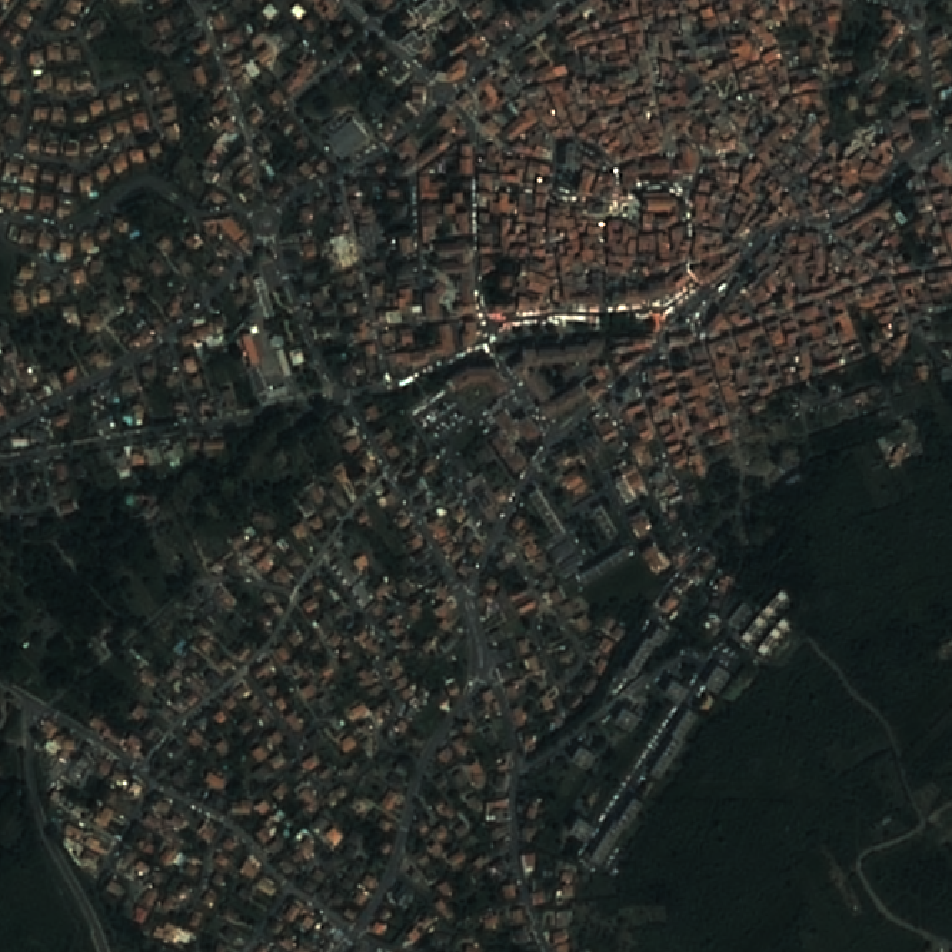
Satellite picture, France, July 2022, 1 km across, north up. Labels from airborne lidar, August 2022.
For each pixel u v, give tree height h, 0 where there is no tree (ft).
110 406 30
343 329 25
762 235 0
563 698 20
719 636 25
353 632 32
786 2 0
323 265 25
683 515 35
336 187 21
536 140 0
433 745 0
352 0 0
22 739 0
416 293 26
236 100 0
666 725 0
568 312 0
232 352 43
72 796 20
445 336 0
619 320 27
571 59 0
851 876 23
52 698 0
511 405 0
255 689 0
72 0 0
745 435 0
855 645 24
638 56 0
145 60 24
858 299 0
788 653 0
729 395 0
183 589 45
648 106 0
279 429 26
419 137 0
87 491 37
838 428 18
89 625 31
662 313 0
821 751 20
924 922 23
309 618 19
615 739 0
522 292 0
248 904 20
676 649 29
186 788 22
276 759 0
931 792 0
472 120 0
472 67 0
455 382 0
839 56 28
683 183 0
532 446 21
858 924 18
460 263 0
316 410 74
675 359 47
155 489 73
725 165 0
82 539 50
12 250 0
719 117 0
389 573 34
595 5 0
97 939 0
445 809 0
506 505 0
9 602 30
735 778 18
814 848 20
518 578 31
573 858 31
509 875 30
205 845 24
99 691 20
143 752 31
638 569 0
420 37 0
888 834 24
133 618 43
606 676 19
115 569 46
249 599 24
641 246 0
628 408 0
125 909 21
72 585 43
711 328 0
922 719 0
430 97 0
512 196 21
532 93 0
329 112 48
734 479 36
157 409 0
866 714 24
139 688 0
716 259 0
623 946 20
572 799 0
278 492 36
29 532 42
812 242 0
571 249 0
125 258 28
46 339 46
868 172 0
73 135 20
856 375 0
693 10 28
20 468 21
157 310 26
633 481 0
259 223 0
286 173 0
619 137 0
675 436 0
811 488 19
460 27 35
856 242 0
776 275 0
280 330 22
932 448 31
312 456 22
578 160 0
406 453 25
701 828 19
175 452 0
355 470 23
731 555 38
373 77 36
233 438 56
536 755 28
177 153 20
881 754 20
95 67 0
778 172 0
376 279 21
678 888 19
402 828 0
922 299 0
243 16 21
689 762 34
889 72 0
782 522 29
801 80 0
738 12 0
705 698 28
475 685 0
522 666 20
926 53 0
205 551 0
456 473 17
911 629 22
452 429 0
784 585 22
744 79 0
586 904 19
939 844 0
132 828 24
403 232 28
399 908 22
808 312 0
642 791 24
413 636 26
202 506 42
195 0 22
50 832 40
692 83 0
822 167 0
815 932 28
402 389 18
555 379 22
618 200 0
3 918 20
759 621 0
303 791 0
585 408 0
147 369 0
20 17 0
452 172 29
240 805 0
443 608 0
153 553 33
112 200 0
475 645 0
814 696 32
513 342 21
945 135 0
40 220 0
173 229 27
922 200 0
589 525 24
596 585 0
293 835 18
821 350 0
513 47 21
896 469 0
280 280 0
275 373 0
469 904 29
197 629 0
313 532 36
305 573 0
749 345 0
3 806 46
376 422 21
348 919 22
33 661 0
